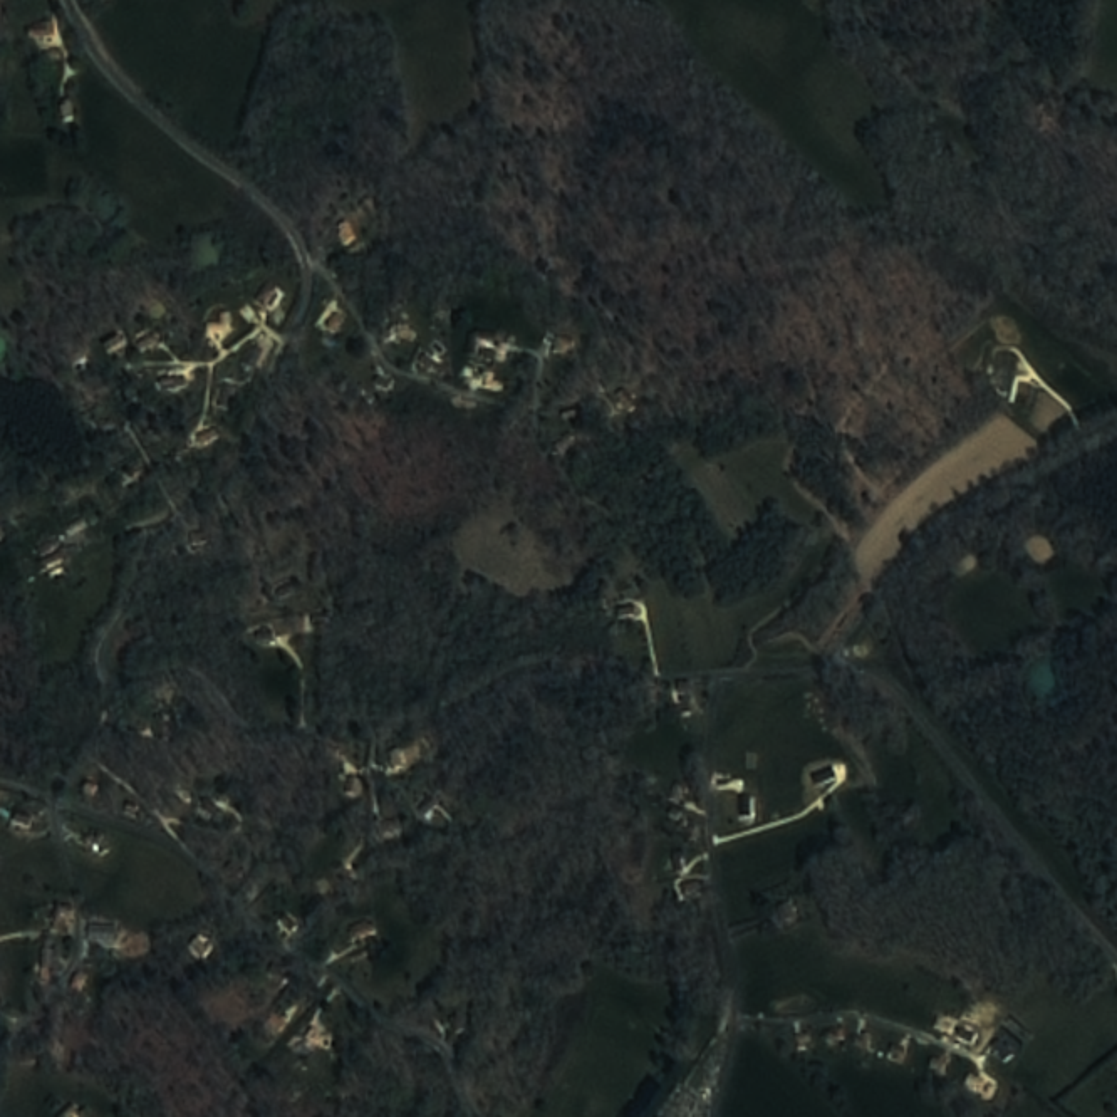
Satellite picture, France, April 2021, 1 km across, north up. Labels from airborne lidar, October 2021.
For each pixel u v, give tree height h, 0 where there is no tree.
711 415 7
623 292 8
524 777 23
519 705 17
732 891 0
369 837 16
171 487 22
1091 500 14
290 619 16
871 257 25
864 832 0
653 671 9
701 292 10
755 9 0
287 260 10
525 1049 10
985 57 17
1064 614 0
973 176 19
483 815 16
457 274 19
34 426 13
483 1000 23
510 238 17
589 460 22
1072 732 26
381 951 15
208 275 8
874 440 10
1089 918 0
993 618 0
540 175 19
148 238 0
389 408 10
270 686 0
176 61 0
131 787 15
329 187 15
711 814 0
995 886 28
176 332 9
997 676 19
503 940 21
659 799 6
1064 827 11
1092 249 24
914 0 23
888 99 17
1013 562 14
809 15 0
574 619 13
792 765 0
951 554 20
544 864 19
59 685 20
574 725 21
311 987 19
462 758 19
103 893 0
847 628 0
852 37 21
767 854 0
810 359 8
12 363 16
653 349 7
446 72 0
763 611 0
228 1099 8
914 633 22
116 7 0
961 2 17
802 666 0
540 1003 13
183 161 0
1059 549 9
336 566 20
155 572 19
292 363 18
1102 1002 0
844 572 25
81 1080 6
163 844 0
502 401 0
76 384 12
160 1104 10
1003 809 0
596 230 10
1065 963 23
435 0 0
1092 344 10
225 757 22
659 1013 0
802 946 0
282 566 15
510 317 0
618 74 12
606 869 25
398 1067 21
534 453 13
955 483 0
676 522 10
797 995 0
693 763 19
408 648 25
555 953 19
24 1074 0
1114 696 16
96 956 17
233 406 15
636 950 14
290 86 19
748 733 0
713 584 17
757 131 22
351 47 20
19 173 0
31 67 18
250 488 16
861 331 20
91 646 12
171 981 6
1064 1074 0
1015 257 20
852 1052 0
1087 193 17
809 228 19
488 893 12
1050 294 20
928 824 0
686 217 0
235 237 8
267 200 14
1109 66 0
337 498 13
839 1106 9
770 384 10
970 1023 0
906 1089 0
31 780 12
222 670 21
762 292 13
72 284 11
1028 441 0
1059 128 16
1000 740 26
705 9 0
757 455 0
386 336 13
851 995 0
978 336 0
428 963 0
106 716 17
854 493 24
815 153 0
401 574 14
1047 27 22
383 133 20
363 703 20
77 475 12
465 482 11
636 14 21
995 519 16
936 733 0
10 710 7
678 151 7
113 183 0
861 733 18
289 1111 8
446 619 13
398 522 7
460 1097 22
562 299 18
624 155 5
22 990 0
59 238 21
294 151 13
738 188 20
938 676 17
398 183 19
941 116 18
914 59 15
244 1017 0
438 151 21
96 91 0
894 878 18
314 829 22
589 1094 0
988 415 19
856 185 0
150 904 0
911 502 0
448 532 10
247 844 12
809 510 0
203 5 0
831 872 29
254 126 19
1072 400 0
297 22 17
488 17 20
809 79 0
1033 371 0
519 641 13
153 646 14
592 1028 0
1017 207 21
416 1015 20
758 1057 0
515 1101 15
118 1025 10
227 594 20
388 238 6
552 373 0
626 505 22
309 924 16
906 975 0
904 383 26
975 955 27
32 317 11
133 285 22
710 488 0
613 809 19
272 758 17
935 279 22
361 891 14
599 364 21
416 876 18
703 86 13
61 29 0
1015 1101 11
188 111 0
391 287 14
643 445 24
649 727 11
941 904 26
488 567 0
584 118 15
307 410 14
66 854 0
